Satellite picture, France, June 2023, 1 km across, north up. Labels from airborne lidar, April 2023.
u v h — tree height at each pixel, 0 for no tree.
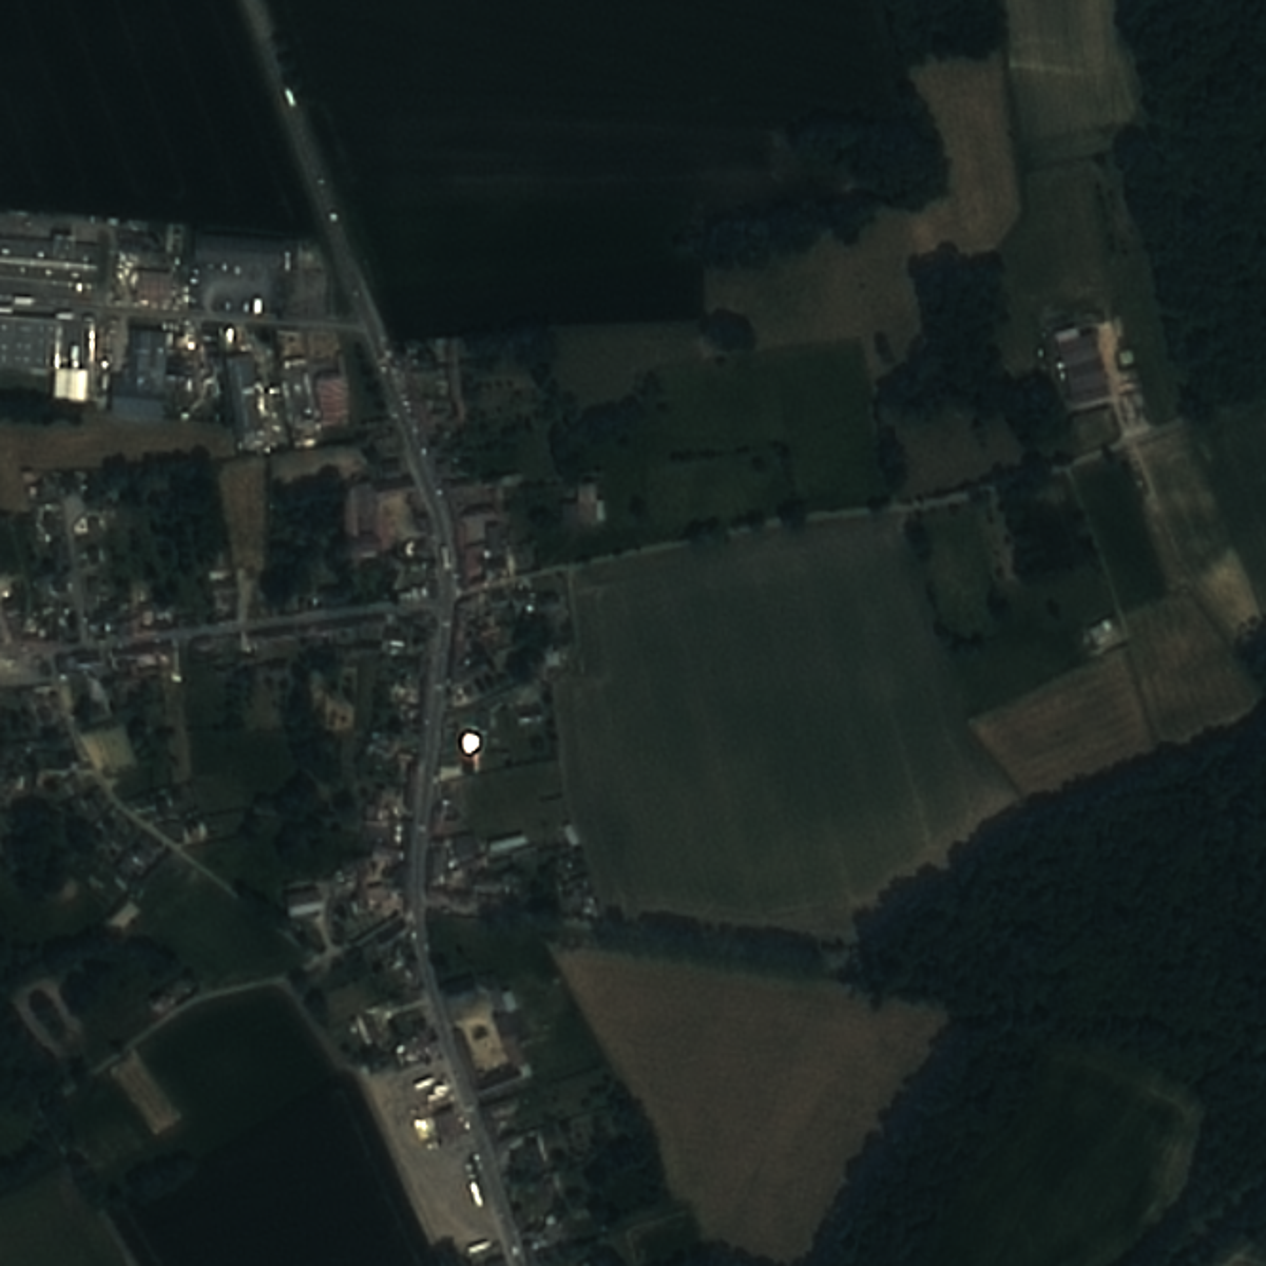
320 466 0
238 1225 0
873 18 0
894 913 29
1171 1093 0
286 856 15
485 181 0
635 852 0
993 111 0
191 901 0
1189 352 22
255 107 0
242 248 0
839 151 21
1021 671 0
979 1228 0
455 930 0
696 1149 0
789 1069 0
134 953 16
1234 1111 23
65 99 0
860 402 0
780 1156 0
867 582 0
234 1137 0
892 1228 26
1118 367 0
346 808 18
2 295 0
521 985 0
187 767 0
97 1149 0
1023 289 0
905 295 0
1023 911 13
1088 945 26
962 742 0
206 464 19
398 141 0
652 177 0
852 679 0
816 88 0
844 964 0
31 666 0
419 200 0
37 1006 16
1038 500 0
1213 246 26
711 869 0
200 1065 0
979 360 21
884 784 0
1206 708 0
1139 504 0
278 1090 0
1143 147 26
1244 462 0
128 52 0
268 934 0
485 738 0
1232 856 29
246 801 0
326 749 12
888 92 0
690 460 6
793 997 0
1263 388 18
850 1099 0
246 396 0
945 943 29
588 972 0
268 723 0
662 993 0
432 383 0
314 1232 0
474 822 0
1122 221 0
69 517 0
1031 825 23
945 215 0
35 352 0
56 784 8
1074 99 0
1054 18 0
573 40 0
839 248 0
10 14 0
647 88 0
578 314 0
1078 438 0
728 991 0
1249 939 37
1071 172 0
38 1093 11
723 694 0
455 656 0
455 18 0
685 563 0
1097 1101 0
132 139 0
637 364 0
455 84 0
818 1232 0
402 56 0
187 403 0
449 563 0
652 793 0
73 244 0
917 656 0
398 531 0
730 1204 0
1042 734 0
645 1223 0
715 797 0
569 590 0
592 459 0
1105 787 19
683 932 24
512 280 0
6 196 0
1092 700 0
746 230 17
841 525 0
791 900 0
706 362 0
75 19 0
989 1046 24
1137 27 29
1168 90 21
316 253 0
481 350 19
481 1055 0
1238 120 24
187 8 0
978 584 0
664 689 0
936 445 0
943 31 10
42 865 20
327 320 0
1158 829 25
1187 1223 15
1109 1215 0
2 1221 0
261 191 0
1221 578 0
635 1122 19
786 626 0
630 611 0
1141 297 0
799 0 0
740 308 0
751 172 0
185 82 0
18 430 0
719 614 0
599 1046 0
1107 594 0
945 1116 28
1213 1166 14
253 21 0
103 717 0
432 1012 0
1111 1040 19
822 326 0
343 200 0
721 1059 0
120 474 13
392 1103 0
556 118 0
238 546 0
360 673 0
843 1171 0
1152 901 29
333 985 0
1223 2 24
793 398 0
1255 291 23
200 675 0
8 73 0
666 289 0
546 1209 0
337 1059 0
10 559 0
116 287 0
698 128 0
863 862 0
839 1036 0
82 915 0
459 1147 0
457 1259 23
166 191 0
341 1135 0
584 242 0
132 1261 0
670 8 0
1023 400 19
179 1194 0
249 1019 0
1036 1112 0
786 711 0
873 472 0
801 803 0
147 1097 0
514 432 8
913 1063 0
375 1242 0
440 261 0
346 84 0
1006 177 0
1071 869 27
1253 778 31
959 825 0
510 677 7
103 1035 0
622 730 0
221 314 0
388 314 0
